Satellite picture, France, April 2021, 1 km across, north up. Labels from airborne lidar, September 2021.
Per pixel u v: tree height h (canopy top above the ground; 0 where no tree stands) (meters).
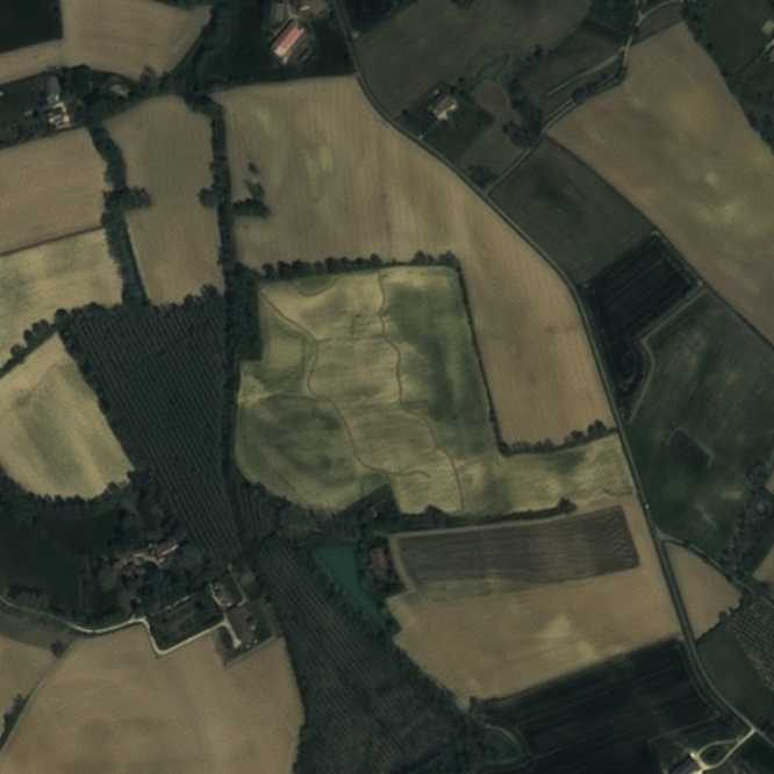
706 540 0
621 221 0
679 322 0
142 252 0
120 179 21
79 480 0
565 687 0
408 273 0
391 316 0
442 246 0
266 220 15
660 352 0
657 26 0
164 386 39
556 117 0
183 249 0
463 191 0
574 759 0
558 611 0
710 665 0
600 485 0
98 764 0
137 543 11
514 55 0
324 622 28
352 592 0
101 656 0
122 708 0
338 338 0
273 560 28
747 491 0
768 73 0
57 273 0
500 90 0
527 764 0
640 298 0
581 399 0
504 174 0
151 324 33
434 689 28
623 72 13
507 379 0
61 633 12
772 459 0
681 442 16
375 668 23
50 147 0
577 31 0
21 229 0
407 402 0
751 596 17
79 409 0
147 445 39
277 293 0
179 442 38
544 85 0
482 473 0
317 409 0
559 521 0
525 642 0
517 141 16
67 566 0
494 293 0
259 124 0
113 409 31
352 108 0
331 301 0
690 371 0
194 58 0
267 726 0
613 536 0
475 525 0
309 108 0
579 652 0
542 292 0
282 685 0
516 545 0
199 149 0
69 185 0
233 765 0
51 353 0
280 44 0
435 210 0
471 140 0
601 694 0
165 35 0
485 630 0
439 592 0
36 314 0
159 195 0
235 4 10
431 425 0
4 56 0
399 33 0
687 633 0
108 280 0
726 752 0
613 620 0
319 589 23
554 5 0
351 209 0
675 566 0
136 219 0
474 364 0
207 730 0
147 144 0
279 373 0
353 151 0
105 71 0
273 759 0
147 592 13
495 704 12
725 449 0
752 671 0
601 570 0
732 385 0
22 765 0
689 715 0
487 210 0
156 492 37
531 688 0
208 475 36
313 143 0
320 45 0
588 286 0
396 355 0
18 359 16
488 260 0
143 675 0
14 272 0
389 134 0
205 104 10
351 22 0
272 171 0
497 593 0
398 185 0
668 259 0
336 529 35
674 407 0
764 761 0
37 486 0
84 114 8
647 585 0
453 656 0
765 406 0
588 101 14
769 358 0
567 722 0
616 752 0
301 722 0
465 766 14
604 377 0
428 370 0
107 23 0
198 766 0
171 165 0
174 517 31
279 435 0
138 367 38
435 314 0
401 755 23
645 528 0
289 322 0
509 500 0
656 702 0
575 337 0
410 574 0
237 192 0
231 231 11
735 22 0
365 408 0
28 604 28
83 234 0
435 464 0
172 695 0
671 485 0
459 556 0
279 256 0
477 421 0
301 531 29
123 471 0
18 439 0
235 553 31
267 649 0
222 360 31
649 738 0
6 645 0
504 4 0
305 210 0
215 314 31
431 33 0
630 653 0
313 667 25
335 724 23
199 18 0
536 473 0
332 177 0
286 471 0
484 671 0
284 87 0
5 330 0
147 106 0
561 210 0
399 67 0
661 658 0
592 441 6
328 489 0
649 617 0
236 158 0
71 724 0
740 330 0
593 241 0
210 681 0
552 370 0
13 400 0
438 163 0
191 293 0
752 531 14
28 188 0
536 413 0
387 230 0
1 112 0
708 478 0
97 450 0
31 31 0
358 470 0
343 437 0
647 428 0
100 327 31
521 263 0
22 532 0
